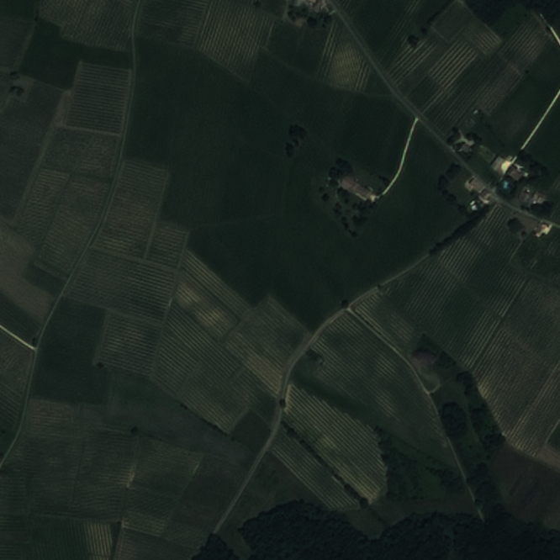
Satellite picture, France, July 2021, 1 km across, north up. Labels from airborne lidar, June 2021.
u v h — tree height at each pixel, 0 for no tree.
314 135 0
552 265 0
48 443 0
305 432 0
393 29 0
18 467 0
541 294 0
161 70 0
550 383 0
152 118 0
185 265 0
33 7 0
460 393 0
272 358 0
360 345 0
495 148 0
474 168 0
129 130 0
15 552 0
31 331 0
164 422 0
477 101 0
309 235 0
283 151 0
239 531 10
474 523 18
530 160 6
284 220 0
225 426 0
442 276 0
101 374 0
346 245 0
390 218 0
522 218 0
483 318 0
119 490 0
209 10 0
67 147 0
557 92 0
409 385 0
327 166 0
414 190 0
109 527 0
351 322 0
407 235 0
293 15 7
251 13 0
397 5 0
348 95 0
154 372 0
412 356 0
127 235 0
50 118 0
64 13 0
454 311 0
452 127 0
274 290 0
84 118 0
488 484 11
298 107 0
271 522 19
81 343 0
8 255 0
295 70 0
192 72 0
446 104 0
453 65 0
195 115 0
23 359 0
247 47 0
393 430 0
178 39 0
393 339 0
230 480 0
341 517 5
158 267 0
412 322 0
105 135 0
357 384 0
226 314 0
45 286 0
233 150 0
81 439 0
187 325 0
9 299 0
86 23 0
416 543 14
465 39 0
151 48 0
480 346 0
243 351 0
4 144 0
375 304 0
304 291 0
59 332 0
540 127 0
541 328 0
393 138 0
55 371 0
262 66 0
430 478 0
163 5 0
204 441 0
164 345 0
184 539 0
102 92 0
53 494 0
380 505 0
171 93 0
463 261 0
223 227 0
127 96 0
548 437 0
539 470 0
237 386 0
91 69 0
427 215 0
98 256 0
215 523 0
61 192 0
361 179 0
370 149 0
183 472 0
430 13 0
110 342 0
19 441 0
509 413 0
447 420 16
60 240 0
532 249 0
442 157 0
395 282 0
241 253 0
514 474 0
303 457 0
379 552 23
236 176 0
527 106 0
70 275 0
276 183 0
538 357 0
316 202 0
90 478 0
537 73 0
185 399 0
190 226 0
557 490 0
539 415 0
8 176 0
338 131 0
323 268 0
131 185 0
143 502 0
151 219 0
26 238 0
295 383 0
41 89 0
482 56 0
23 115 0
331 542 19
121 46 0
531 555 18
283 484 0
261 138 0
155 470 0
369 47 0
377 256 0
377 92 0
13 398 0
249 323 0
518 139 0
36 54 0
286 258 0
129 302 0
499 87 0
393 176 0
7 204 0
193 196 0
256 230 0
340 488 0
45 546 0
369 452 0
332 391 0
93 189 0
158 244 0
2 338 0
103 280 0
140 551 0
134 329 0
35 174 0
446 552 12
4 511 0
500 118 0
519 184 6
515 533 11
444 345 0
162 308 0
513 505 0
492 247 0
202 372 0
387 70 0
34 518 0
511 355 0
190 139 0
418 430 0
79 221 0
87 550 0
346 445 0
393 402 0
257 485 0
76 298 0
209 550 17
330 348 0
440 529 20
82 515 0
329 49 0
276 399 0
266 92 0
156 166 0
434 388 0
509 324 0
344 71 0
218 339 0
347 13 0
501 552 17
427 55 0
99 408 0
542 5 18
